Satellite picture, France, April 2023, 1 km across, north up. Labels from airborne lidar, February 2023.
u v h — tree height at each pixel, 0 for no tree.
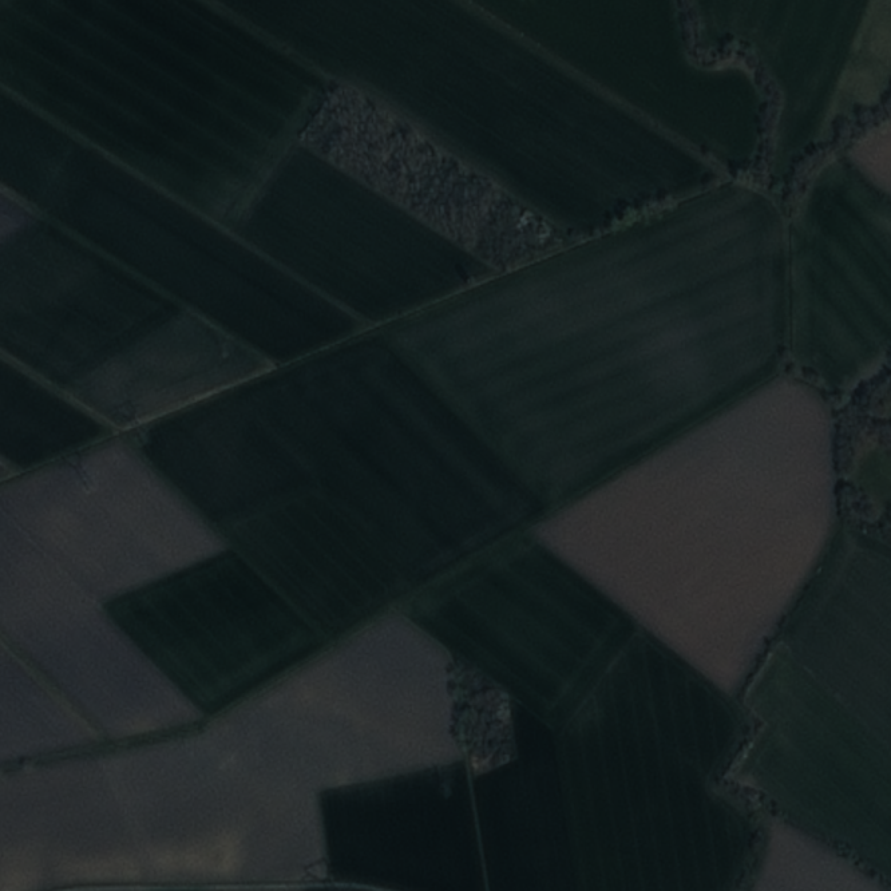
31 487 0
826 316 0
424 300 0
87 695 0
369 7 0
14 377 0
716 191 16
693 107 0
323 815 0
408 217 0
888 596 0
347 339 0
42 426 0
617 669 0
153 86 0
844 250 0
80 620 0
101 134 0
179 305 0
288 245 0
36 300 0
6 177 0
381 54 0
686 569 0
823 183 0
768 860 0
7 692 0
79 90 0
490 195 21
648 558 0
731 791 12
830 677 0
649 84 0
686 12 17
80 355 0
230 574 0
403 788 0
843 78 0
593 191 0
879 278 0
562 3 0
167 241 0
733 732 0
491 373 0
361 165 24
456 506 0
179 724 0
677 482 0
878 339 0
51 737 0
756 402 0
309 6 0
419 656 0
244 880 0
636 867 0
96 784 0
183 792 0
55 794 0
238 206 0
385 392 0
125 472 0
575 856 0
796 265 0
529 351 0
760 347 0
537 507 0
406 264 0
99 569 0
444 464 0
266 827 0
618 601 0
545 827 0
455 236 25
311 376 0
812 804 0
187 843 0
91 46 0
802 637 0
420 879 0
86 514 0
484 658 0
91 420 0
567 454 0
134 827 0
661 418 0
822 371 0
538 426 0
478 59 0
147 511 0
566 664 0
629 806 0
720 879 0
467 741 19
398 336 0
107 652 0
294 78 0
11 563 0
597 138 0
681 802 0
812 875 0
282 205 0
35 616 0
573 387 0
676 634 0
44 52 0
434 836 0
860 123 17
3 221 0
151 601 0
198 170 0
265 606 0
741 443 0
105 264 0
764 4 0
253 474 0
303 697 0
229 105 0
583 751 0
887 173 0
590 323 0
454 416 0
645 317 0
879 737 0
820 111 0
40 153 0
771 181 12
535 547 0
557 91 0
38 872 0
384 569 0
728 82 0
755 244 0
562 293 0
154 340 0
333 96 16
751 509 0
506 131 0
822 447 0
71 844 0
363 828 0
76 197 0
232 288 0
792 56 0
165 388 0
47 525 0
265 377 0
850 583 0
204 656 0
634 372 0
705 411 0
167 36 0
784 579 0
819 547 0
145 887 0
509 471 0
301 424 0
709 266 0
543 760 0
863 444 20
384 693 0
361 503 0
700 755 0
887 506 0
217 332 0
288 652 0
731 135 0
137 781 0
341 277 0
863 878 0
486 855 0
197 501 0
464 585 0
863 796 0
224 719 0
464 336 0
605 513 0
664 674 0
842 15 0
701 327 0
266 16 0
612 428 0
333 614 0
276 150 0
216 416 0
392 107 0
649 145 0
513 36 0
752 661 0
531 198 0
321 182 0
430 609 0
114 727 0
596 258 0
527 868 0
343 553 0
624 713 0
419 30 0
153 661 0
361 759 0
